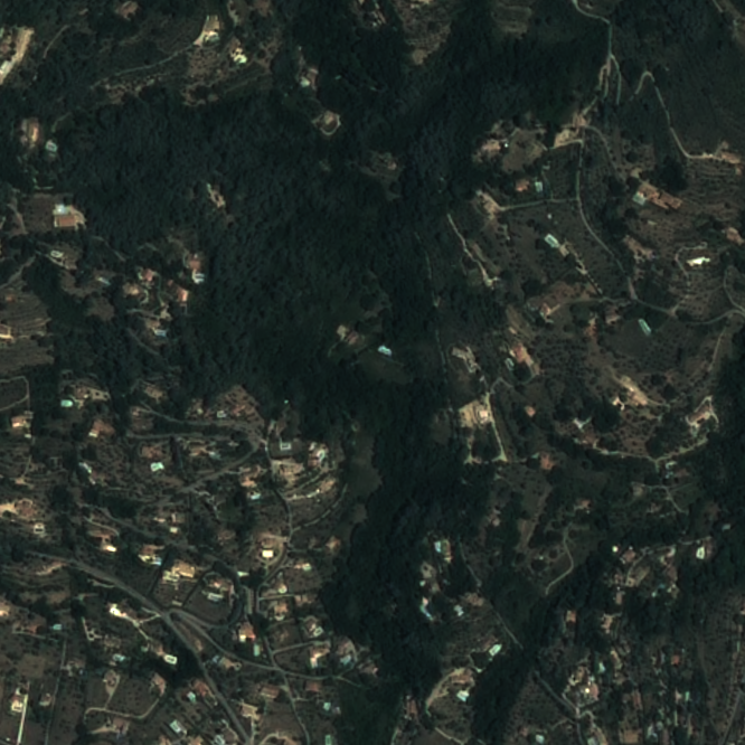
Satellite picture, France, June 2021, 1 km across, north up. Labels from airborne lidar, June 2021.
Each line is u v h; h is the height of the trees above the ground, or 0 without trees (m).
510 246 10
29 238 12
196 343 6
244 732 0
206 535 9
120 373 20
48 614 12
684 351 17
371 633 18
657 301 6
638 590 7
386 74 16
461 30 19
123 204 17
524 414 14
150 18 15
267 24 22
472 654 7
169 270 11
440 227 13
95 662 7
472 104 18
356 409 17
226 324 6
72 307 7
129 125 23
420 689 17
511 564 13
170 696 5
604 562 10
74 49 15
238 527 8
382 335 9
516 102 17
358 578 17
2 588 10
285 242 6
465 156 14
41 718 15
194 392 15
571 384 6
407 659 23
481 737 13
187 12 12
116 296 19
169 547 9
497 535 11
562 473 16
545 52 17
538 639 6
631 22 17
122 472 6
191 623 0
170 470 6
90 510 11
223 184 24
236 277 11
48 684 0
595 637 7
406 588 14
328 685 9
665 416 7
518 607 13
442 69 11
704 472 10
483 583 6
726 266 5
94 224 18
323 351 12
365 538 19
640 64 10
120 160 15
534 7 8
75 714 0
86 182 15
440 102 19
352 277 14
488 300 6
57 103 20
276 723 0
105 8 10
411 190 20
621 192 9
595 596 10
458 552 15
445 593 9
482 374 13
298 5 19
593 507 8
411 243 18
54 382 12
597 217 6
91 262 19
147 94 17
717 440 19
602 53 7
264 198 22
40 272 13
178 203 16
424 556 11
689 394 10
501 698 14
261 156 17
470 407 0
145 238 21
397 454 19
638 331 0
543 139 17
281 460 8
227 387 23
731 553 10
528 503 0
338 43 13
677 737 14
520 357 0
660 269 7
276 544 0
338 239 8
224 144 22
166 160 9
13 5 11
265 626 16
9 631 0
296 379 22
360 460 0
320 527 6
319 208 21
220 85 5
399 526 28
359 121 18
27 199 8
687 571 6
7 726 0
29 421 6
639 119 7
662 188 7
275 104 14
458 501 13
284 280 20
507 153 10
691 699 7
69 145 16
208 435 10
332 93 23
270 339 7
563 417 13
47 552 12
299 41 7
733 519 15
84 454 12
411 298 16
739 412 14
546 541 10
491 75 15
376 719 10
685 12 18
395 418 10
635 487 0
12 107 13
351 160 11
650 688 12
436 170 25
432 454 8
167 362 12
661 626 13
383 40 12
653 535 16
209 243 16
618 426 6
